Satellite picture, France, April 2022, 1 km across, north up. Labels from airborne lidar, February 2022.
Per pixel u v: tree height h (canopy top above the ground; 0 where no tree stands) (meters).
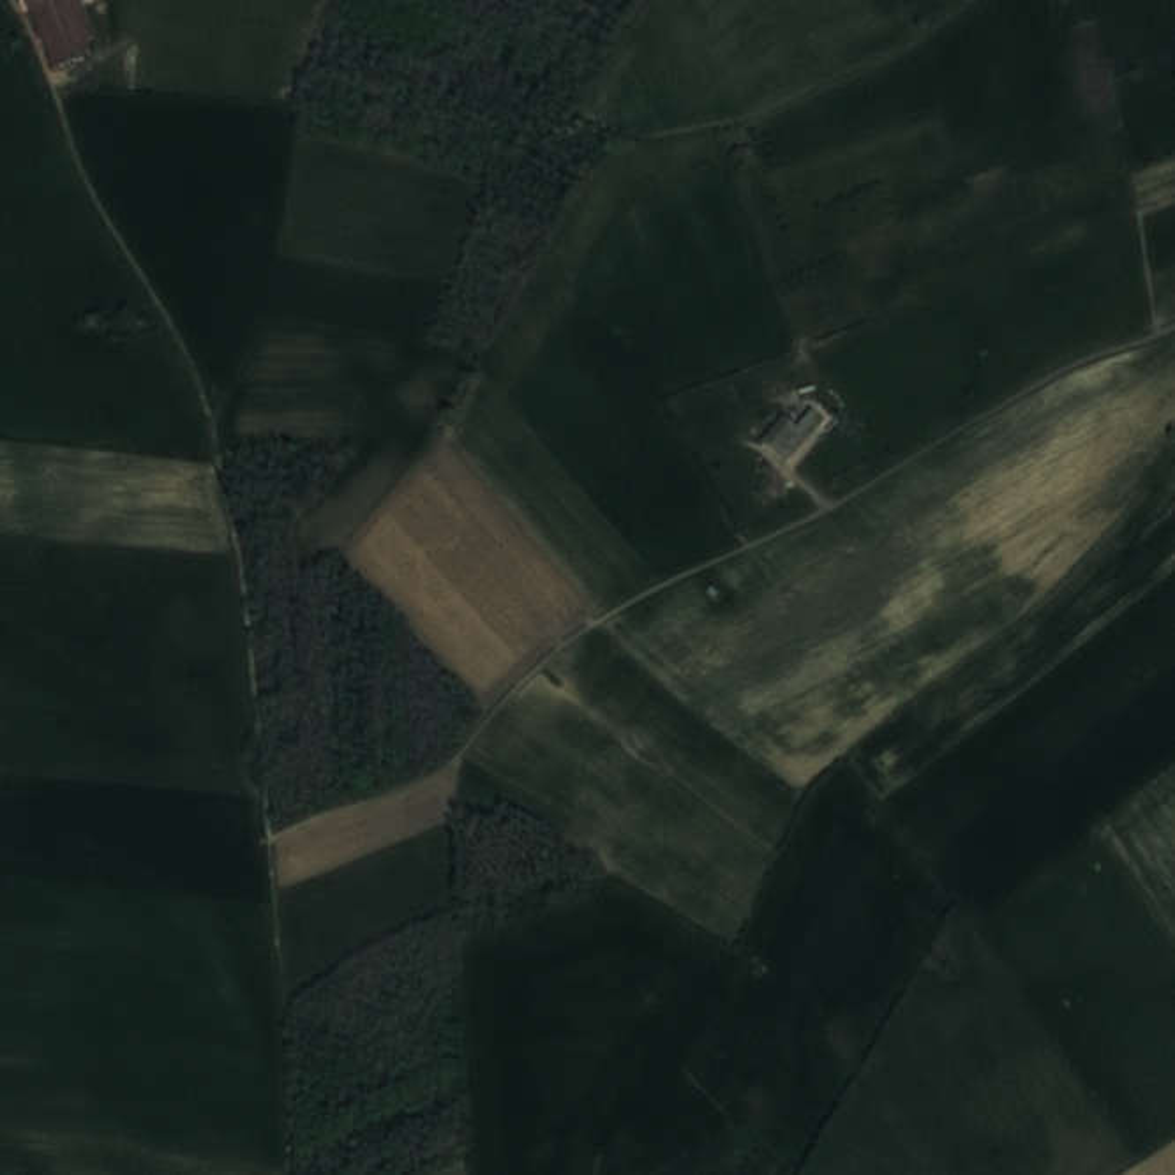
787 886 0
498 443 0
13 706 0
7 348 0
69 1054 0
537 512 0
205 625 0
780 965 0
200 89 0
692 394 0
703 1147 0
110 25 0
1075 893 0
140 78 0
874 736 0
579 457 0
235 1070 0
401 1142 24
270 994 0
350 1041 15
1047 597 0
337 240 0
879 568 0
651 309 0
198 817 0
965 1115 0
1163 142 0
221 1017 0
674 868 0
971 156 0
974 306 0
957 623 0
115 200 0
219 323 0
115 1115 0
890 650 0
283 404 0
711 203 0
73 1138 0
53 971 0
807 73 0
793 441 0
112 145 0
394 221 0
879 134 0
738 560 0
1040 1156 0
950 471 0
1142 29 0
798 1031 0
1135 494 0
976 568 0
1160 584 0
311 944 0
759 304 0
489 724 0
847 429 0
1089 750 0
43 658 0
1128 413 0
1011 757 0
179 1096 0
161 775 0
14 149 0
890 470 0
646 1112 0
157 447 0
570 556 0
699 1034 0
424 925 13
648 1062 0
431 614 0
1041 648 0
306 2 0
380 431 0
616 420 0
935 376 0
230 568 0
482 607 0
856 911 0
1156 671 0
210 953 0
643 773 0
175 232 0
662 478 0
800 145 0
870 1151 0
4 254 0
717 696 0
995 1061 0
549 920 0
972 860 0
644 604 0
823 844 0
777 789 0
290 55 0
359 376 0
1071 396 0
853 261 0
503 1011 0
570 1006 0
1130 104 0
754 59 0
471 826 0
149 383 0
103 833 0
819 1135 6
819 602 0
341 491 0
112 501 0
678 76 0
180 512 0
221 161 0
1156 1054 0
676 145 0
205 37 0
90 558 0
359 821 0
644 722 0
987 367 0
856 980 0
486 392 0
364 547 0
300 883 0
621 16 12
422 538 0
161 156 0
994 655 0
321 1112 15
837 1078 0
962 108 0
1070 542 0
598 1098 0
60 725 0
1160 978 0
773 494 0
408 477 0
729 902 0
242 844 0
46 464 0
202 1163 0
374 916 0
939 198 0
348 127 23
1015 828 0
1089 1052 0
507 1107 0
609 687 0
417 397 0
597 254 0
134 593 0
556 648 0
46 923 0
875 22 0
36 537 0
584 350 0
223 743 0
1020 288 0
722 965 0
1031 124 0
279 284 0
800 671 0
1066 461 0
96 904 0
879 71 0
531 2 21
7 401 0
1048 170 0
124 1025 0
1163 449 0
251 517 12
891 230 0
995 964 0
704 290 0
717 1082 0
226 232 0
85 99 0
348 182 0
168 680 0
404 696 23
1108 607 0
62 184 0
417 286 0
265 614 11
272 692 7
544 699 0
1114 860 0
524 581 0
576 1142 0
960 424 0
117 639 0
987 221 0
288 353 0
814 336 0
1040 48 0
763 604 0
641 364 0
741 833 0
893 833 0
